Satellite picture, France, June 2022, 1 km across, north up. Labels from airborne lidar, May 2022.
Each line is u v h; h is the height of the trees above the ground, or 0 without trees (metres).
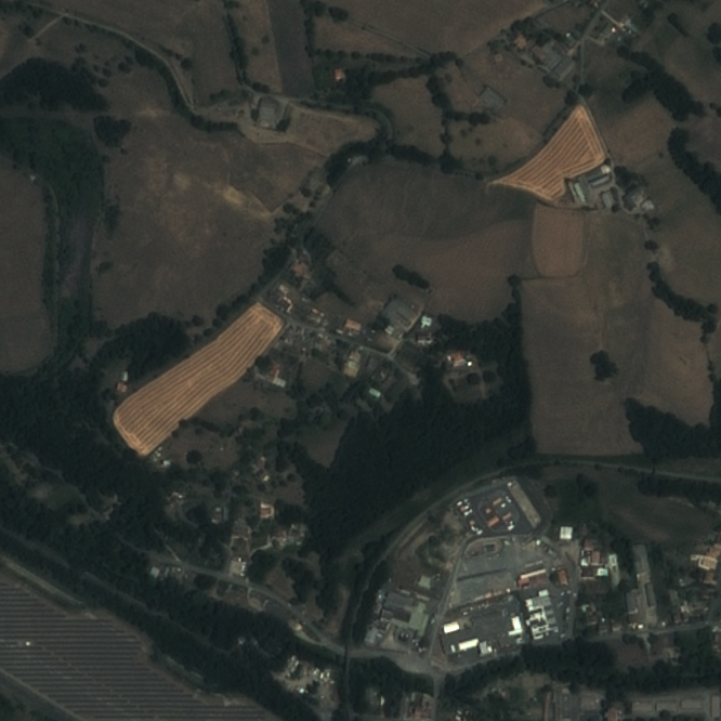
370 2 0
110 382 0
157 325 15
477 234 0
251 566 8
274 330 0
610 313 0
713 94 0
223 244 0
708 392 0
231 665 22
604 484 0
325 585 7
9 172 0
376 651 0
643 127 0
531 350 0
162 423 0
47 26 0
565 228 0
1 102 10
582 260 0
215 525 9
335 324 0
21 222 0
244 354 0
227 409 0
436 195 0
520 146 0
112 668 0
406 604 0
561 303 0
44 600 0
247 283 0
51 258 6
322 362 0
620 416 0
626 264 0
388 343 0
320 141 0
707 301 0
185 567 0
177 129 0
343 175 13
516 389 18
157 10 0
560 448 0
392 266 0
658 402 0
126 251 0
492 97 0
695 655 12
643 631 0
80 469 14
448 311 0
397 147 17
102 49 0
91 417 17
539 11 0
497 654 0
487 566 0
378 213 0
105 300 0
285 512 13
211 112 0
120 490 21
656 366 0
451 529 0
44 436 17
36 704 0
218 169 0
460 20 0
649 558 11
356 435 12
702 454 11
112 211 9
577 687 14
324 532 23
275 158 0
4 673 0
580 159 0
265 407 0
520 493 0
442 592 0
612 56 0
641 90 20
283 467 10
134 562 15
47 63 10
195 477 8
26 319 0
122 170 0
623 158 0
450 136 14
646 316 0
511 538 0
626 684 12
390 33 0
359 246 0
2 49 0
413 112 0
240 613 21
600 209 0
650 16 6
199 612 27
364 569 12
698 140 0
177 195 0
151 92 0
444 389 13
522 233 0
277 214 0
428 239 0
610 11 0
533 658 17
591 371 0
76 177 9
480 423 12
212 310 0
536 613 0
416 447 12
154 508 21
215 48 0
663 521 0
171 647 15
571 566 0
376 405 6
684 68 0
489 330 12
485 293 0
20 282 0
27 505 19
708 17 0
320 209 0
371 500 17
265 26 0
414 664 0
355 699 13
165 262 0
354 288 0
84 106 17
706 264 0
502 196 0
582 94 14
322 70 5
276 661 20
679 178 0
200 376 0
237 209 0
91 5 0
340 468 13
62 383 12
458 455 16
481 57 0
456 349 12
